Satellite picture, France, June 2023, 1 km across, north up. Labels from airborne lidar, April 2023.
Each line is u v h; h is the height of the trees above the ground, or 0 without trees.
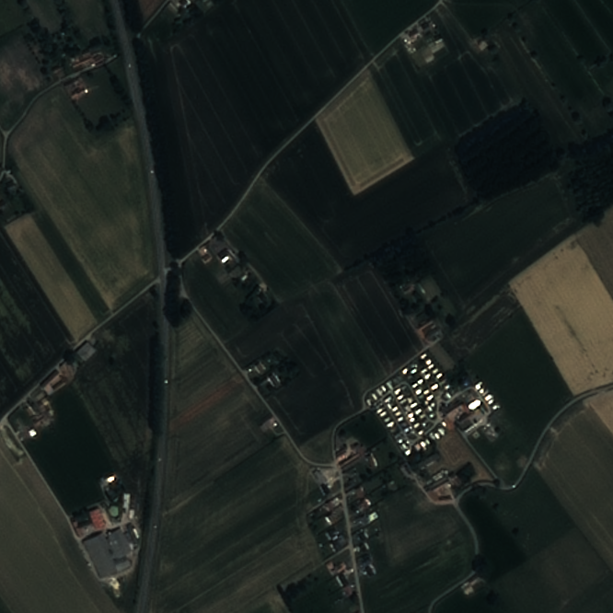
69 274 0
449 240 0
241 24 0
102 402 0
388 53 0
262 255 0
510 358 0
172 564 0
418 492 0
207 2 0
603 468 0
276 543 0
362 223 0
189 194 0
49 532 0
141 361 0
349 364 0
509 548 0
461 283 0
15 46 0
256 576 0
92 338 0
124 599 0
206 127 0
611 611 0
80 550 0
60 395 0
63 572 0
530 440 0
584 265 0
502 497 0
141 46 22
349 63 0
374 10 0
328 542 0
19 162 0
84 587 0
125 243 0
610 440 0
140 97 0
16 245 0
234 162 0
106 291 0
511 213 0
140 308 0
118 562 0
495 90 0
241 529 0
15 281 0
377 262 19
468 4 0
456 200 0
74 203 0
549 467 0
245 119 0
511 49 0
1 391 0
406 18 0
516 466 0
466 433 0
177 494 0
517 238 0
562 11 0
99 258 0
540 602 0
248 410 0
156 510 0
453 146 0
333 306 0
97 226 0
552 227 0
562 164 0
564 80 0
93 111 0
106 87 0
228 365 0
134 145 0
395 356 0
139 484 0
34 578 0
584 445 0
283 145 0
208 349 0
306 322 0
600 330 0
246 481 0
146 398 0
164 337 0
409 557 0
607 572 0
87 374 0
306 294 0
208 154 0
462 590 0
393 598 0
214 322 0
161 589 0
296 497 0
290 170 0
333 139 0
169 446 0
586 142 0
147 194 0
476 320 0
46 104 0
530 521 0
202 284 0
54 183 0
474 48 0
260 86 0
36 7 0
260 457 0
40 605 0
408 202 0
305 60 0
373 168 0
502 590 0
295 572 0
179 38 0
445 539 0
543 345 0
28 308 0
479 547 0
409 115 0
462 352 0
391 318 0
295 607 0
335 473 0
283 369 11
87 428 0
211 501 0
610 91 0
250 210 0
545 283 0
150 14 0
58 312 0
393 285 9
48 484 0
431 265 12
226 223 0
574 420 0
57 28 0
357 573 0
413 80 0
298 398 0
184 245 0
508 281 0
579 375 0
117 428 0
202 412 0
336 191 0
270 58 0
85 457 0
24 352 0
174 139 0
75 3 0
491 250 0
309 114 0
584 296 0
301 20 0
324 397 0
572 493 0
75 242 0
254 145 0
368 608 0
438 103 0
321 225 0
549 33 0
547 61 0
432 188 0
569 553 0
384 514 0
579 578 0
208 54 0
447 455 0
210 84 0
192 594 0
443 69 0
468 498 0
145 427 0
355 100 0
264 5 0
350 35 0
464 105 0
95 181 0
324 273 0
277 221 0
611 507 0
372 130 0
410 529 0
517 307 0
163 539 0
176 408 0
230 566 0
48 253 0
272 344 0
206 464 0
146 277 0
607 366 0
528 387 0
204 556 0
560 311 0
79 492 0
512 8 0
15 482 0
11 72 0
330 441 0
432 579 0
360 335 0
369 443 0
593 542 0
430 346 0
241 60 0
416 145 0
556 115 0
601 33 0
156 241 0
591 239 0
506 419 0
